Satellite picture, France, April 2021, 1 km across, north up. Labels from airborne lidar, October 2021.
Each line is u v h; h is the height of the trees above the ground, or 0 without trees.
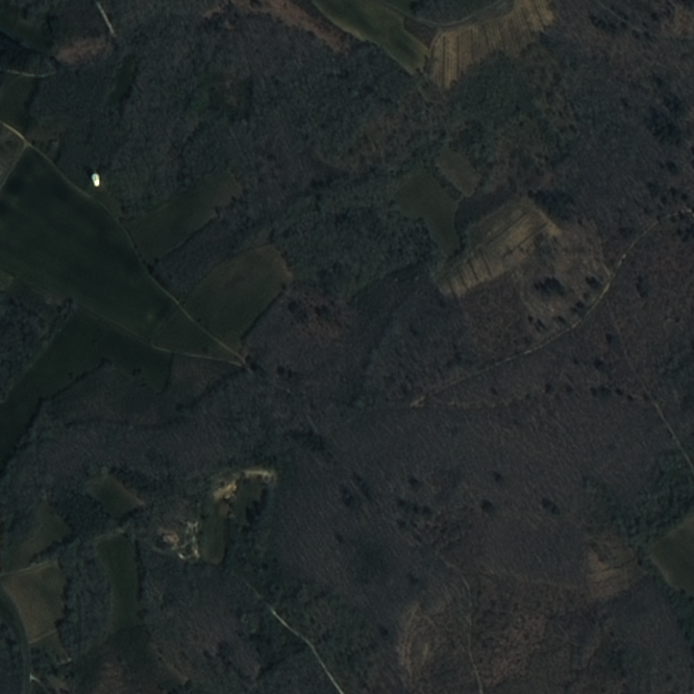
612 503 15
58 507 24
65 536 0
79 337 0
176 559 18
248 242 18
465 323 10
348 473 18
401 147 17
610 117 19
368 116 24
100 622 20
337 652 20
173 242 0
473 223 7
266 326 15
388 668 12
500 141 13
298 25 0
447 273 0
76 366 0
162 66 26
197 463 19
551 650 6
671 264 7
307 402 13
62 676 16
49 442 15
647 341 10
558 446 17
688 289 7
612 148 17
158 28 26
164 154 20
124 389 8
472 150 12
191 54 23
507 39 0
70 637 22
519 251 0
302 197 15
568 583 11
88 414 10
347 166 19
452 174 0
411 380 14
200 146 25
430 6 17
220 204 0
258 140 18
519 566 14
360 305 8
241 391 18
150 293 0
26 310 6
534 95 8
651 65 19
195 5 20
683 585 0
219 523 0
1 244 0
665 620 16
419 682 6
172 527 20
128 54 23
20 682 15
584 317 13
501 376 12
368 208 14
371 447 16
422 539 11
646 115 15
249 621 24
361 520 17
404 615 16
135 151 15
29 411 0
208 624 17
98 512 24
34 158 0
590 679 6
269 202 16
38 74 23
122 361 0
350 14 0
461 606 16
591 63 16
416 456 14
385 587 18
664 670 10
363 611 19
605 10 8
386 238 14
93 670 9
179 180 12
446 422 11
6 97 0
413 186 0
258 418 18
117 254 0
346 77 20
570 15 16
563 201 23
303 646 10
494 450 15
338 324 9
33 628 0
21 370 16
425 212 0
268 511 20
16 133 0
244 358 6
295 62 18
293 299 7
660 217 10
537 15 0
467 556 9
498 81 13
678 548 0
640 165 13
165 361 0
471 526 7
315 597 13
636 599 11
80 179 14
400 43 0
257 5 25
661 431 17
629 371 9
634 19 9
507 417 12
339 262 21
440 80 0
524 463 13
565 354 10
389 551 21
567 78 17
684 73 20
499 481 19
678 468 15
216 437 21
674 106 19
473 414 9
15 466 16
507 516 12
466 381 11
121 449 18
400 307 16
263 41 15
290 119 21
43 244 0
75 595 18
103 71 21
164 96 23
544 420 13
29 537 23
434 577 18
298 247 18
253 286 0
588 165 15
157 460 22
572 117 22
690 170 12
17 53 28
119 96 0
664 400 14
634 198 16
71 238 0
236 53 22
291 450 18
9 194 0
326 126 21
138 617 0
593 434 16
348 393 15
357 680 19
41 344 14
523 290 0
